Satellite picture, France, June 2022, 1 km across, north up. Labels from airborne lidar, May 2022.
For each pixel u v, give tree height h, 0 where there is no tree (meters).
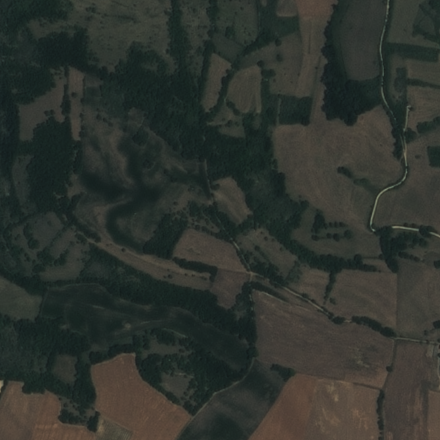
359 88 10
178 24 11
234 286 0
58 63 12
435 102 0
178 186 0
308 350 0
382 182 0
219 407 0
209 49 11
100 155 0
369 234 0
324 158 0
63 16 9
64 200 11
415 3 0
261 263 10
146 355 0
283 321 0
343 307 0
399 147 16
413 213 0
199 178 0
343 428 0
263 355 0
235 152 11
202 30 0
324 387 0
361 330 0
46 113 12
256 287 17
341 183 0
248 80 0
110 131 0
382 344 0
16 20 7
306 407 0
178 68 7
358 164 0
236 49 0
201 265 14
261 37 13
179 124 8
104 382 0
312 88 0
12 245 10
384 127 0
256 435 0
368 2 0
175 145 14
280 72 0
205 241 0
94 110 0
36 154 11
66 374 0
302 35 0
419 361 0
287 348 0
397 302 0
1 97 7
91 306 0
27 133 0
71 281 10
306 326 0
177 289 10
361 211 0
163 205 0
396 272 12
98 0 0
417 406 0
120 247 0
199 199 0
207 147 15
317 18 0
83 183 0
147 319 0
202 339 0
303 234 0
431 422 0
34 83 10
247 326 11
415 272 0
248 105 0
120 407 0
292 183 0
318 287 0
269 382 0
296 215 10
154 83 12
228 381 13
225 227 10
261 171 11
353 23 0
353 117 25
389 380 0
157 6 0
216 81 0
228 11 0
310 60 0
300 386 0
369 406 0
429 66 0
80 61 14
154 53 6
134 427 0
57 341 12
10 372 6
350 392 0
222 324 15
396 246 13
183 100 10
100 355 15
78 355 13
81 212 0
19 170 0
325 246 0
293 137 0
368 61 0
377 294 0
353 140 0
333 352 0
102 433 0
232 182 0
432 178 0
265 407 0
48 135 12
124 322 0
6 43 7
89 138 0
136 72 12
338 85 20
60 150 13
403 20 0
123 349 15
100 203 0
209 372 12
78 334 6
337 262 13
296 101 7
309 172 0
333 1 0
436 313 0
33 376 9
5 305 0
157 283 11
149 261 0
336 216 0
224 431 0
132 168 0
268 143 12
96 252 11
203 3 0
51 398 0
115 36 0
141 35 0
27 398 0
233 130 0
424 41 0
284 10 0
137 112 0
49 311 0
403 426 0
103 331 0
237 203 0
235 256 0
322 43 0
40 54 6
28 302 0
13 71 6
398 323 0
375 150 0
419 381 0
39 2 8
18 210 8
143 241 0
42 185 6
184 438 0
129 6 0
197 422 0
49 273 0
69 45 11
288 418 0
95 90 0
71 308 0
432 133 0
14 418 0
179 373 0
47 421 0
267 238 9
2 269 14
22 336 7
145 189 0
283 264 0
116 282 11
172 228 6
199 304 12
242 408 0
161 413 0
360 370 0
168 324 0
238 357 0
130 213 0
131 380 0
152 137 0
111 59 0
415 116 0
